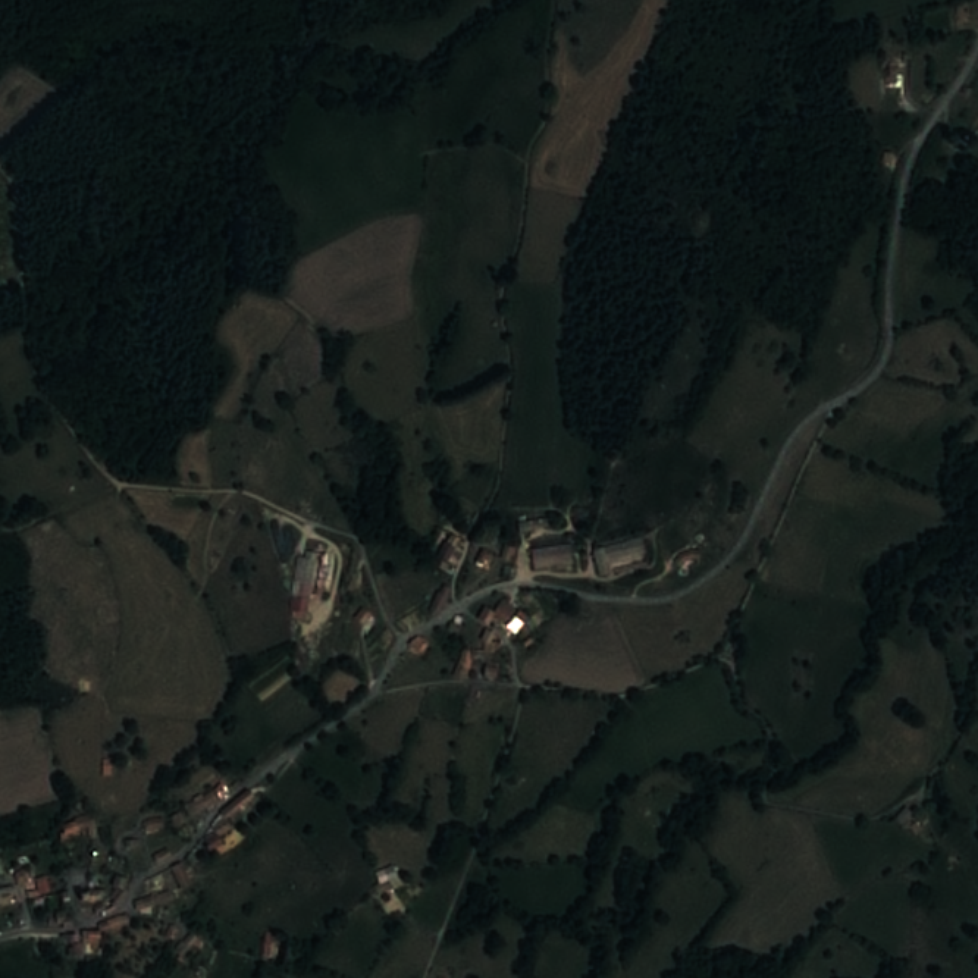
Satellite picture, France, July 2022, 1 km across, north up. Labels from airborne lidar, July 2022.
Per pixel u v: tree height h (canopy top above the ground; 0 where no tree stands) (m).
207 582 0
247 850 0
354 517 11
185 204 15
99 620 0
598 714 0
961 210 25
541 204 0
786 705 0
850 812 0
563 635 0
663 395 0
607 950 18
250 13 9
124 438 18
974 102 0
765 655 0
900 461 0
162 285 29
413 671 0
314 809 0
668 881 0
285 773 0
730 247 8
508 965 0
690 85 10
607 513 0
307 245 0
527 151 0
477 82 0
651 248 18
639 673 0
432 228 0
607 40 0
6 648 15
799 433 0
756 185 19
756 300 11
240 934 0
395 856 0
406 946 0
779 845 0
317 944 15
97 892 0
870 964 0
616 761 0
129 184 11
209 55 16
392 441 17
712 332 7
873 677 16
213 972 0
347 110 20
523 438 0
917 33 14
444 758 0
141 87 25
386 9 6
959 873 0
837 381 0
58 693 0
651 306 9
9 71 0
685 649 0
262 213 18
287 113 20
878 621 16
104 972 15
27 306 19
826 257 23
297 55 19
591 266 11
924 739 0
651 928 17
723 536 0
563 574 0
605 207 7
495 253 0
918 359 0
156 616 0
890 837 0
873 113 11
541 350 0
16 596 13
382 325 0
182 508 0
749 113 8
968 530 22
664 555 0
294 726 0
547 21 0
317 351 0
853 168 20
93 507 0
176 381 33
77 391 19
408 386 0
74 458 0
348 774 0
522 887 0
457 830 16
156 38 18
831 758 19
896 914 0
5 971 0
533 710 0
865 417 0
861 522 0
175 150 22
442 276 0
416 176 0
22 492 0
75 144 26
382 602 0
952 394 12
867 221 22
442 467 9
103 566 0
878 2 0
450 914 0
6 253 0
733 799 0
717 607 0
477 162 0
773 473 0
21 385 0
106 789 0
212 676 0
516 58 0
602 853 22
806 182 19
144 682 0
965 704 16
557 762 0
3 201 0
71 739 0
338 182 0
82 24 9
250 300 0
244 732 0
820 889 0
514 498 0
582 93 0
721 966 17
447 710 0
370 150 0
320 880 0
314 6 19
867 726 0
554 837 0
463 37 15
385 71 19
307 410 0
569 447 0
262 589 0
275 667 0
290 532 0
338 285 0
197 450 0
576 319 8
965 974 0
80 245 17
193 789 0
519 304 0
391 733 0
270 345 0
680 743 0
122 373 26
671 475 0
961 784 0
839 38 16
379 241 0
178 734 0
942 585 20
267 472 0
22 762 0
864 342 0
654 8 0
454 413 0
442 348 19
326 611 0
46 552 0
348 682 0
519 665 0
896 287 0
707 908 0
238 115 24
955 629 18
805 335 10
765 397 0
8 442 15
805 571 0
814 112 16
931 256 0
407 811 17
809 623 0
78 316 22
